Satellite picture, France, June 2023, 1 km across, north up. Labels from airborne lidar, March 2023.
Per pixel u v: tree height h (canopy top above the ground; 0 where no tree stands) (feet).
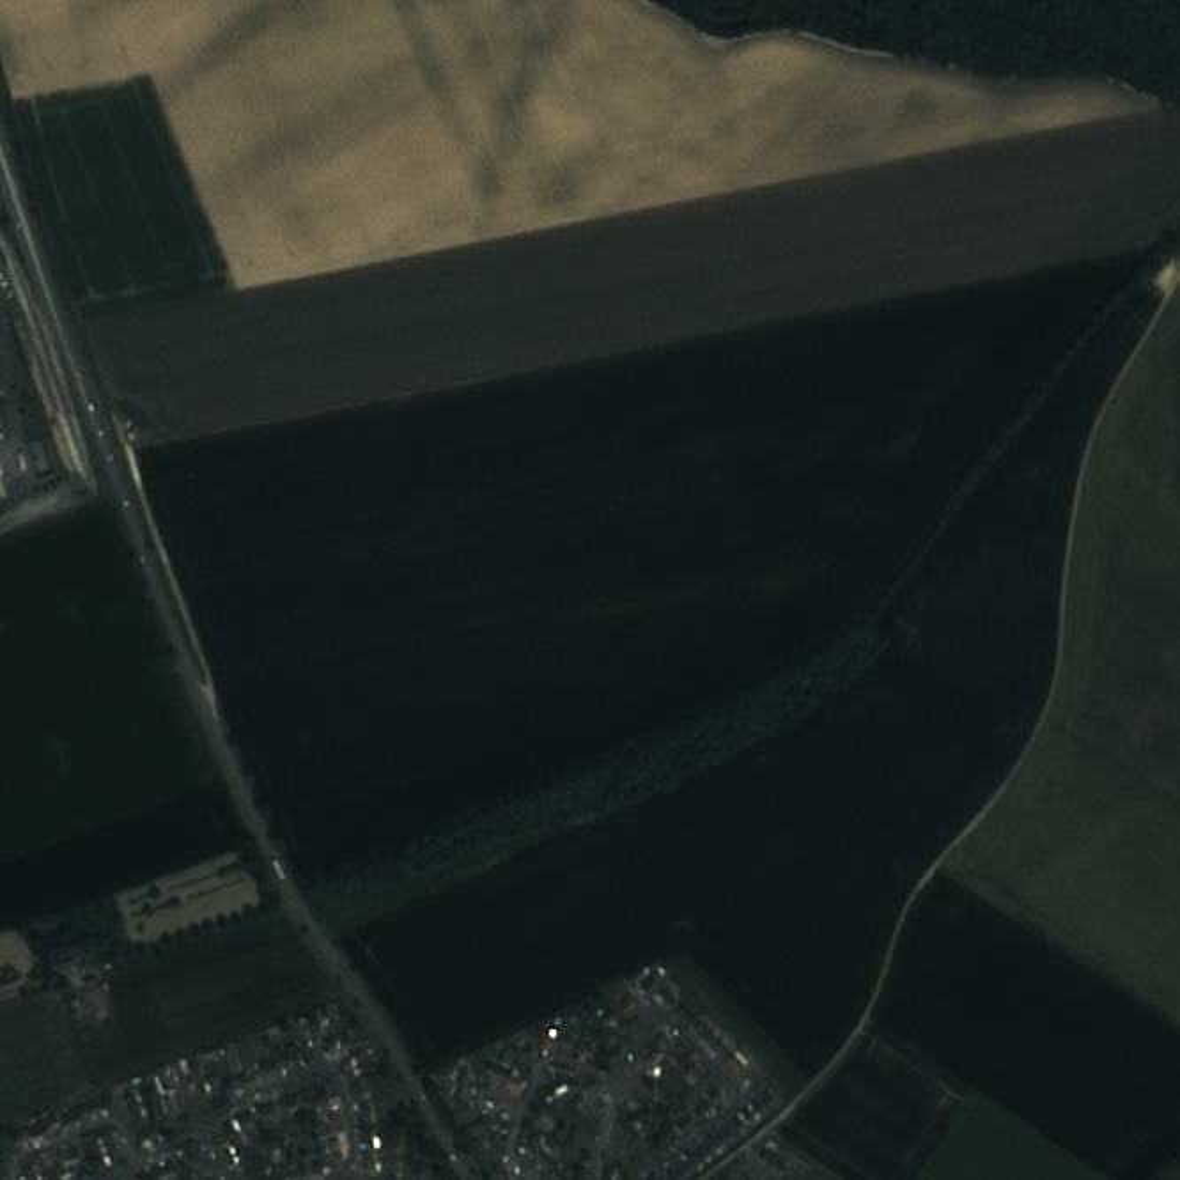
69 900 0
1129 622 0
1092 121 0
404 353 0
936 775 0
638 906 0
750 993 0
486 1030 0
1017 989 0
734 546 0
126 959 28
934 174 0
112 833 0
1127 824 0
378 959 0
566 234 0
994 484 0
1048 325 0
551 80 0
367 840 0
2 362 0
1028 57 53
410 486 0
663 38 0
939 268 0
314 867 0
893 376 0
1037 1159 0
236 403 0
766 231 0
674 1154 0
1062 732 0
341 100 0
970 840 0
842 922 0
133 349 0
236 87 0
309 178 0
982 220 0
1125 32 73
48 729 0
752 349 0
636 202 0
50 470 0
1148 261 41
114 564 0
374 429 0
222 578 0
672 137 0
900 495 0
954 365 0
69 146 0
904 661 0
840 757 0
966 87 0
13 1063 0
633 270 0
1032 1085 0
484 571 0
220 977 0
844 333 0
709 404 0
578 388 0
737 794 0
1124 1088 0
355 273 0
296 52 0
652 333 0
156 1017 0
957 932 0
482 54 0
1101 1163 0
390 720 0
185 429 0
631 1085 0
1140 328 0
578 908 0
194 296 0
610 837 0
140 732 0
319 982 0
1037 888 0
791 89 0
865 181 0
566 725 0
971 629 0
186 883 0
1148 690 0
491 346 0
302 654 0
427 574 0
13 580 0
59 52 0
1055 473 0
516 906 0
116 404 0
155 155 0
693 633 0
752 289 0
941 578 0
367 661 0
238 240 0
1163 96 39
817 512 0
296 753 0
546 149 0
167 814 0
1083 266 0
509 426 0
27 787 0
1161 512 0
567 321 0
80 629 0
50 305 0
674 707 0
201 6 0
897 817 0
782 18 37
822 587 0
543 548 0
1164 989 0
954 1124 0
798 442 0
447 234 0
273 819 0
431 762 0
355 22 0
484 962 0
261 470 0
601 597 0
